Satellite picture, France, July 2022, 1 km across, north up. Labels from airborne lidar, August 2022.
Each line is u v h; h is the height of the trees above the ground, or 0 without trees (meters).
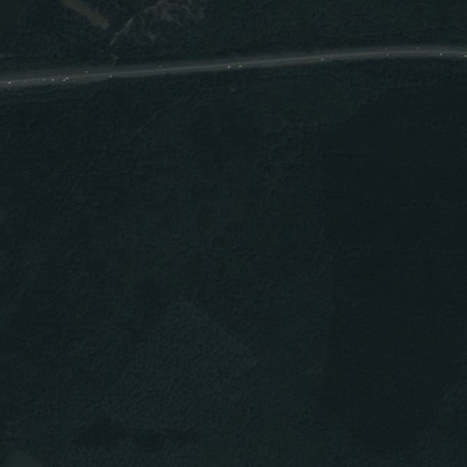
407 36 15
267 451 23
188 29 25
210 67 0
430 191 24
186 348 36
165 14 0
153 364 32
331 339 26
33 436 21
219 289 24
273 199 21
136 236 21
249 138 28
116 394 31
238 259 24
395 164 26
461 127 27
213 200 23
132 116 23
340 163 24
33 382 19
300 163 6
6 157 26
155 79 17
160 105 19
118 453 26
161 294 29
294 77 19
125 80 15
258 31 22
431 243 25
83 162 11
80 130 21
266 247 23
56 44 28
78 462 24
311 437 24
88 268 27
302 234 23
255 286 21
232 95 19
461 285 28
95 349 18
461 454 17
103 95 21
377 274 23
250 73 16
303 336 22
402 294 27
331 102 25
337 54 0
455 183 24
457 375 27
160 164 20
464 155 27
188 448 27
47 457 25
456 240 25
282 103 24
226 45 22
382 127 28
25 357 21
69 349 30
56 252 30
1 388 26
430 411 18
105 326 25
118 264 27
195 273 20
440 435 18
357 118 26
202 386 29
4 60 17
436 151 26
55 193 7
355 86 24
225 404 30
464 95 30
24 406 19
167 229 21
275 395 22
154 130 22
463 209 23
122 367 32
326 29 23
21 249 22
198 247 23
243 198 24
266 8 26
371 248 24
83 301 23
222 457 22
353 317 26
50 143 27
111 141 28
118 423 16
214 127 22
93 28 10
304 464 24
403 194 25
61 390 23
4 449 10
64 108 32
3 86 0
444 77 15
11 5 0
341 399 26
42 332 18
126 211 27
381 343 29
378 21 20
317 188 22
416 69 26
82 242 22
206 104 27
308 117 23
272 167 24
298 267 22
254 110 31
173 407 29
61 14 26
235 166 22
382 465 26
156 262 24
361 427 25
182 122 10
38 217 9
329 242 19
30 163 27
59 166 16
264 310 25
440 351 25
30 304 32
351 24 24
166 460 30
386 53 0
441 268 21
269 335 24
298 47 25
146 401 33
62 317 20
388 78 20
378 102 30
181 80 16
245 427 25
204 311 38
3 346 23
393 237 25
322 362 26
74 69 0
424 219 22
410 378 27
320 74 15
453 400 25
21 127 27
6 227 18
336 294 20
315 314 19
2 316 23
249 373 7
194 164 21
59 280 22
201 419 32
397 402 28
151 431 21
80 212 27
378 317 28
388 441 28
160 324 35
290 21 22
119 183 22
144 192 19
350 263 27
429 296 29
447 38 12
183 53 16
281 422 26
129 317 21
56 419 25
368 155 26
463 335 26
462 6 24
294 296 19
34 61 17
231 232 26
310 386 23
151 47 12
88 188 17
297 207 23
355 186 26
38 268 23
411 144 26
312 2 27
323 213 23
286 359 20
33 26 27
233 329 22
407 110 30
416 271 26
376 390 29
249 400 26
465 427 14
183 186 24
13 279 18
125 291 24
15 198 20
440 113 29
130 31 8
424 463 31
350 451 25
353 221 27
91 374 28
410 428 28
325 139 26
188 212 22
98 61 15
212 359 36
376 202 27
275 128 23
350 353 30
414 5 24
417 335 28
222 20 26
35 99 11
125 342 27
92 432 23
